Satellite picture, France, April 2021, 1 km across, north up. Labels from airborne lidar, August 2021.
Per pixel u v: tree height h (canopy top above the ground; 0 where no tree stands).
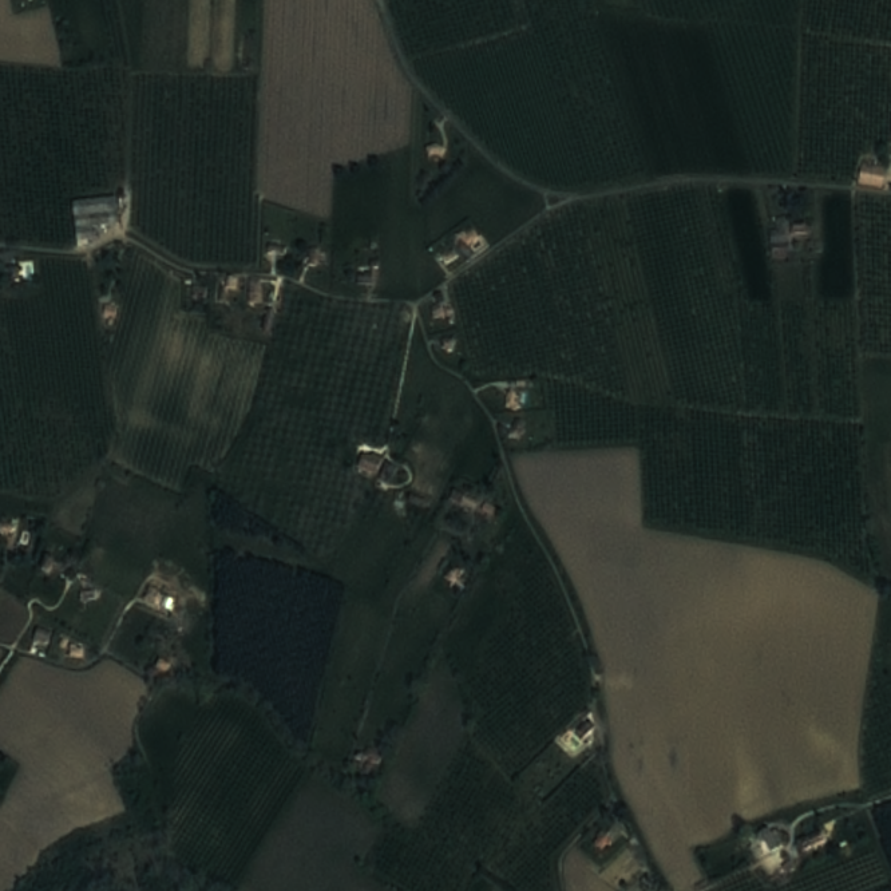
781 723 0
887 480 0
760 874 0
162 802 0
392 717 0
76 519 0
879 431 0
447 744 0
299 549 13
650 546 0
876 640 0
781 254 0
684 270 5
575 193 0
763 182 0
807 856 10
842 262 0
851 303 0
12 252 16
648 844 0
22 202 6
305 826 0
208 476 8
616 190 0
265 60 0
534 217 0
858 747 0
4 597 0
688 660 0
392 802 0
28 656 0
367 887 0
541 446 6
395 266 0
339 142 0
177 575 0
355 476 15
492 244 0
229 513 15
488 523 10
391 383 9
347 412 10
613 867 0
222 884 16
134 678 0
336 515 8
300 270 15
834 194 0
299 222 0
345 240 0
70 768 0
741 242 0
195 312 7
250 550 0
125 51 6
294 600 12
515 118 5
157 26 8
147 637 9
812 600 0
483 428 0
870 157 0
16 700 0
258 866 0
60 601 0
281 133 0
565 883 0
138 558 0
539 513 0
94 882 14
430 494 0
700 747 0
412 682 14
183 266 0
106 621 0
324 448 11
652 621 0
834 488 6
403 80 0
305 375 10
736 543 0
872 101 5
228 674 16
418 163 0
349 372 10
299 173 0
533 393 0
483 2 6
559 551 0
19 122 6
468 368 9
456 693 0
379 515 10
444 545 0
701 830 0
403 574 0
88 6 0
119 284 11
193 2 0
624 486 0
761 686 0
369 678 0
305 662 13
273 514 7
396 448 13
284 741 16
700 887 0
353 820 0
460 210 0
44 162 6
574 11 6
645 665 0
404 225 0
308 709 14
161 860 10
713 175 0
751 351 6
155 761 0
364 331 11
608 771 0
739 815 0
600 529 0
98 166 6
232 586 15
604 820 9
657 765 0
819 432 6
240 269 0
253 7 0
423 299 0
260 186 0
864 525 12
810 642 0
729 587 0
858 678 0
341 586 10
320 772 14
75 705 0
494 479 0
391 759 16
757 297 0
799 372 6
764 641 0
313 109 0
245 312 10
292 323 10
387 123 0
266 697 15
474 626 0
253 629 14
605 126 6
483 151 0
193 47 0
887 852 9
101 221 0
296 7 0
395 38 0
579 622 0
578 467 0
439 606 0
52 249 0
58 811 0
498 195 0
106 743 0
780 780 0
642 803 0
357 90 0
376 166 13
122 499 0
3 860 0
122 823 0
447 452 0
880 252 5
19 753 0
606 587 0
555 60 5
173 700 0
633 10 0
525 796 0
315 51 0
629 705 0
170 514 0
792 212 12
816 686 0
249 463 7
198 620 0
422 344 0
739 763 0
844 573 0
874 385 0
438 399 0
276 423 8
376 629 0
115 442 0
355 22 0
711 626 0
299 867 0
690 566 0
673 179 0
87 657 0
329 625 14
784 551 0
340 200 0
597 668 14
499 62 6
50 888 6
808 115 6
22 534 0
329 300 7
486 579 7
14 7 0
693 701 0
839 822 0
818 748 0
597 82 5
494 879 12
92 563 0
